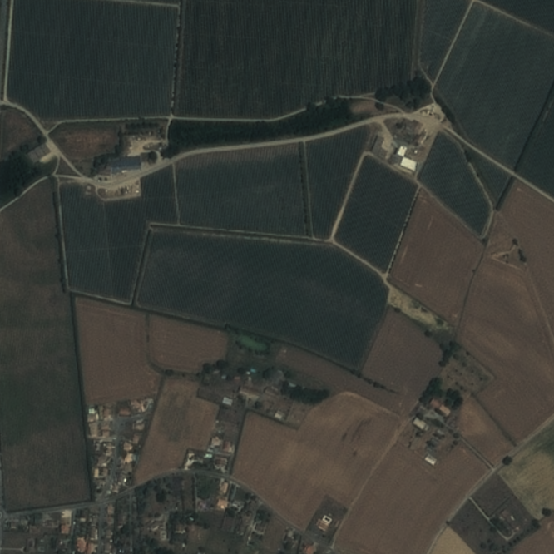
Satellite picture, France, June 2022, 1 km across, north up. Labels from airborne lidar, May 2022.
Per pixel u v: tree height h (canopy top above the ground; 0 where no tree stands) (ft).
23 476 0
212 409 0
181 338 0
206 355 0
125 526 26
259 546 0
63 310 0
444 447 0
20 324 0
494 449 0
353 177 0
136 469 0
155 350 0
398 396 0
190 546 0
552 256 0
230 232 27
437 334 0
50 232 0
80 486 0
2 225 0
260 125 46
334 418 0
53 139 0
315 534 0
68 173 0
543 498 0
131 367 0
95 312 0
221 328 22
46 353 0
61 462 0
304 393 33
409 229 0
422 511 0
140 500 26
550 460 0
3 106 25
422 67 0
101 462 0
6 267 0
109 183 0
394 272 0
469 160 35
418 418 39
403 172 0
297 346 19
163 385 0
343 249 0
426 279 0
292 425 0
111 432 0
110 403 0
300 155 23
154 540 33
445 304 0
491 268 0
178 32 24
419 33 0
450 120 38
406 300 0
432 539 0
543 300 0
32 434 0
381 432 0
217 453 0
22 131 0
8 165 35
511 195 0
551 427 0
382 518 0
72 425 0
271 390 0
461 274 0
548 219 0
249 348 18
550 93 37
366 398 0
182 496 24
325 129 24
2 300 0
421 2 0
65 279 46
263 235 26
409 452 0
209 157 0
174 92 30
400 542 0
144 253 18
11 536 0
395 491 0
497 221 0
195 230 24
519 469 0
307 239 26
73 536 23
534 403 0
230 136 37
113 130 0
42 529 0
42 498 0
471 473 0
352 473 0
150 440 0
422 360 0
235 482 0
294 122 29
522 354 0
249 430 0
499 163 0
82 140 0
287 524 0
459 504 0
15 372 0
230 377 35
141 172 0
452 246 0
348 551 0
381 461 0
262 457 0
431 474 0
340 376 0
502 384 0
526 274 0
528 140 35
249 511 24
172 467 0
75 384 0
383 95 73
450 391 37
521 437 0
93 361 0
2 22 0
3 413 0
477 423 0
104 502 0
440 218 0
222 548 0
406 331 0
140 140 0
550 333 0
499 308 0
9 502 0
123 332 0
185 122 22
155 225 28
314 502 0
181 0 31
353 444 0
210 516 0
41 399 0
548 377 0
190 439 0
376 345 0
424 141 0
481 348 0
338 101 52
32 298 0
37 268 0
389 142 0
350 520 0
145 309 19
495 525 21
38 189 0
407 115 0
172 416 0
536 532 0
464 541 0
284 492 0
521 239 0
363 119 26
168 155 51
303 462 0
